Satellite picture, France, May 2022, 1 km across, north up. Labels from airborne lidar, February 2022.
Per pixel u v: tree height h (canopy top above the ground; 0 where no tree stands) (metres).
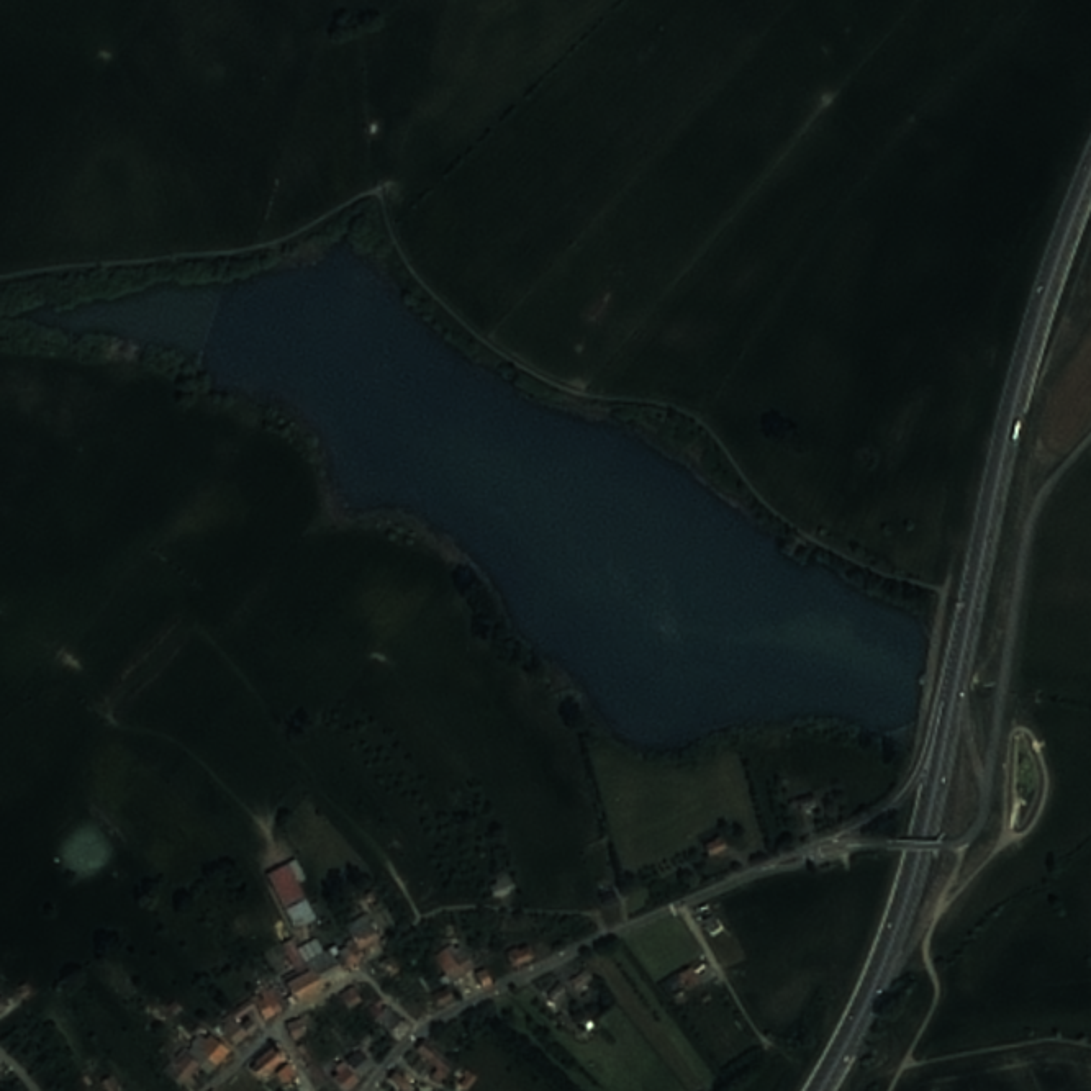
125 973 0
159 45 0
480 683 0
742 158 0
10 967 0
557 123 0
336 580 0
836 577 0
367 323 0
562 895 0
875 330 0
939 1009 0
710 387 0
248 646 0
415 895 0
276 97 0
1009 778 0
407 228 0
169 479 0
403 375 0
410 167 0
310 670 0
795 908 0
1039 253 0
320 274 0
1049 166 0
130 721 0
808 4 0
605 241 0
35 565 0
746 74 0
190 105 0
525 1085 0
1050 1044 0
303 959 0
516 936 0
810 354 0
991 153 0
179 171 0
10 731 0
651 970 0
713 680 0
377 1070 0
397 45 0
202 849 0
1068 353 0
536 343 0
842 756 0
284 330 0
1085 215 0
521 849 0
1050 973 0
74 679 0
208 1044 0
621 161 0
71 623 0
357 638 0
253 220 0
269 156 0
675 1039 0
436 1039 11
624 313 0
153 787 0
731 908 0
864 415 0
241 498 0
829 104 0
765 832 8
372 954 9
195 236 0
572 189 0
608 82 0
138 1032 0
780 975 0
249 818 0
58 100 0
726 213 0
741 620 0
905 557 0
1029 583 0
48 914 9
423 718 0
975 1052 0
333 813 0
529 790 0
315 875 0
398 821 0
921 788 0
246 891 15
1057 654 0
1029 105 0
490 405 0
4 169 0
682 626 0
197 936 0
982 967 0
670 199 0
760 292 0
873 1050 5
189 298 0
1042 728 0
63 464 0
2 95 0
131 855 0
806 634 0
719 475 6
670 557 0
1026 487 0
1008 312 0
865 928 0
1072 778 0
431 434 0
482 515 0
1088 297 0
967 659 0
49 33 0
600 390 0
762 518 10
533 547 0
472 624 0
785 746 0
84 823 0
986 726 0
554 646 0
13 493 0
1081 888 0
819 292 0
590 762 10
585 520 0
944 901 0
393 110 0
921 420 0
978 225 0
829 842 0
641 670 0
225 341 0
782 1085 0
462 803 0
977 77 0
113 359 0
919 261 0
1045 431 0
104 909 0
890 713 0
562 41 0
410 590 0
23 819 0
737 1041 0
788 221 0
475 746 0
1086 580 0
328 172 0
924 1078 0
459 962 0
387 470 0
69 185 0
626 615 0
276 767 0
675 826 0
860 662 0
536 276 0
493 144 0
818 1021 0
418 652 0
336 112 0
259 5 0
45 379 0
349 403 0
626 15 0
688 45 0
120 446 0
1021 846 0
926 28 0
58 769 0
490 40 0
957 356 0
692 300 0
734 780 0
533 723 0
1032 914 0
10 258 0
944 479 0
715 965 0
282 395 0
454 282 0
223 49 0
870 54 0
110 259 0
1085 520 0
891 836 14
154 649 0
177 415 0
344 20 10
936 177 0
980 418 0
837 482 0
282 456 0
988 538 0
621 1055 0
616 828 0
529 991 0
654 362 0
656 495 0
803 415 0
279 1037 0
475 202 0
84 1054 0
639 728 0
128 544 0
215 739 0
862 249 0
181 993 0
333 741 0
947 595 0
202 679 0
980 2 0
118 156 0
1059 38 0
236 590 0
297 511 0
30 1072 6
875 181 0
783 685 0
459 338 5
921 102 0
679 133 0
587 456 0
